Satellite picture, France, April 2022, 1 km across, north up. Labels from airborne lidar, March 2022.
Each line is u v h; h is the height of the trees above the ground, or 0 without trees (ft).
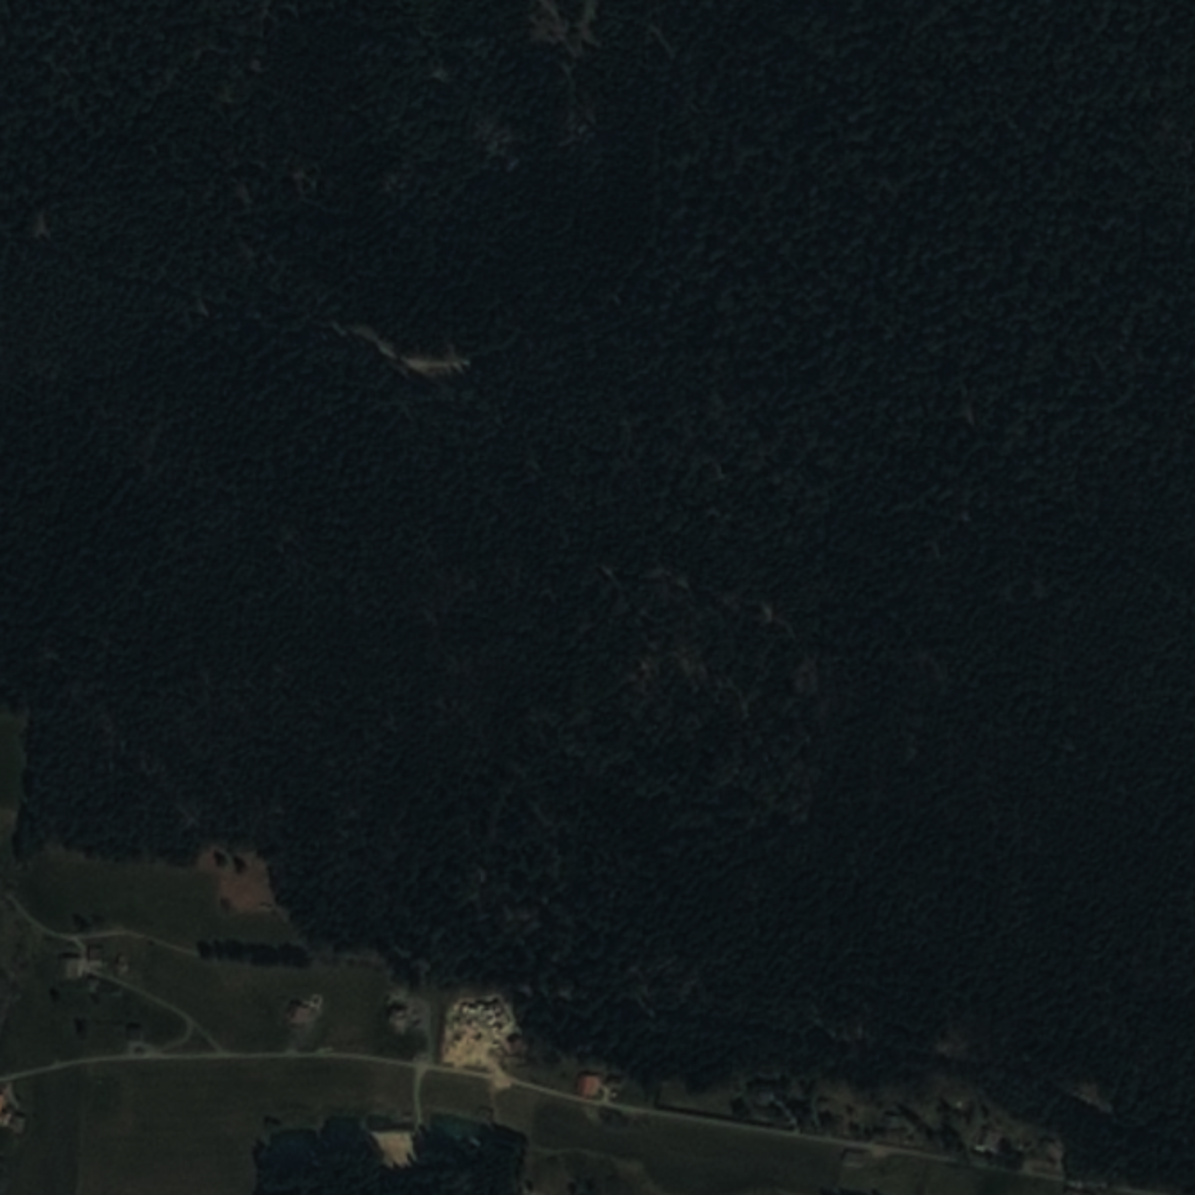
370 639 70
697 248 102
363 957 57
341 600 61
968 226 79
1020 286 99
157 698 82
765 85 84
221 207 53
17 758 0
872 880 88
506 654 66
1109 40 114
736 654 29
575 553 52
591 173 97
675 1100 0
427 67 58
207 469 71
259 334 96
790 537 57
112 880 0
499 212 80
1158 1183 50
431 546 85
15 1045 0
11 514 68
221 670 80
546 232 74
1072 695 77
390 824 94
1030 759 79
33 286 65
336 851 91
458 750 67
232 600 83
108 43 100
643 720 30
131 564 86
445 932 118
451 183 52
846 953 73
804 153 36
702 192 46
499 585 57
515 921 124
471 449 73
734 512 114
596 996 103
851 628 58
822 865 73
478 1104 0
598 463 79
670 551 37
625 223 81
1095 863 77
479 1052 0
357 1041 0
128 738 86
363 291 77
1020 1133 0
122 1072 0
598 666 40
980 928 99
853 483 80
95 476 62
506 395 61
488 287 82
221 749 81
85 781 88
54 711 78
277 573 72
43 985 0
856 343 37
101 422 64
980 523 83
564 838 25
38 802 82
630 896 65
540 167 88
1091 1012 68
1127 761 69
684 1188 0
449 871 49
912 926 81
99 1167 0
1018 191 104
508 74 92
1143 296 122
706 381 74
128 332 81
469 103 80
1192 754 66
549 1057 45
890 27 37
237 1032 0
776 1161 0
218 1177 0
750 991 89
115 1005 0
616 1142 0
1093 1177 51
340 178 72
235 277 56
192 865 35
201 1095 0
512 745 51
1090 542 60
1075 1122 86
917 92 68
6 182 77
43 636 84
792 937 59
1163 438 70
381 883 97
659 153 67
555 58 34
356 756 94
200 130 37
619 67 29
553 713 68
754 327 68
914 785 71
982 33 30
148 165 56
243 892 0
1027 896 79
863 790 75
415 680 91
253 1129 0
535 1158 0
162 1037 0
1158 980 70
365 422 90
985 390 78
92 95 31
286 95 42
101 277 74
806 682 53
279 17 51
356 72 72
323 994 0
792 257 51
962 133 36
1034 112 34
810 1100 21
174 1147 0
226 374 87
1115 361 70
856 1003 67
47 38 76
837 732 82
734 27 56
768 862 83
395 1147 0
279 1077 0
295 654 84
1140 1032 73
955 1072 76
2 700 70
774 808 115
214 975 0
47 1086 0
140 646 84
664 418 77
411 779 88
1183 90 26
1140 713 70
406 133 64
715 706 117
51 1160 0
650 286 59
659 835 51
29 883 0
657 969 83
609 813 49
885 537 67
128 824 90
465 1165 94
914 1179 0
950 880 66
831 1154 0
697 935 91
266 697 86
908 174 103
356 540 63
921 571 77
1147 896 94
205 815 62
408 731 76
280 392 89
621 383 81
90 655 86
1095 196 33
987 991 78
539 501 80
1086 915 83
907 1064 78
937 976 84
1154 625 71
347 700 81
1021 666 67
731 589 56
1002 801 78
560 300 83
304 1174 93
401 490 75
